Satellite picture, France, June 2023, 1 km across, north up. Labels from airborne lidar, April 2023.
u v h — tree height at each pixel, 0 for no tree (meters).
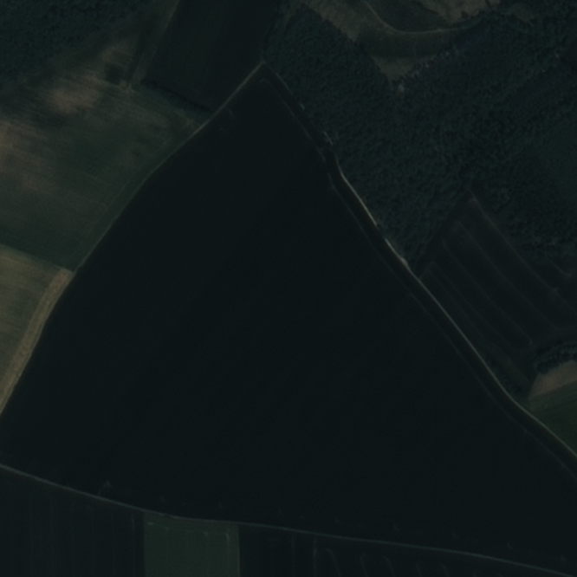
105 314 0
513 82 13
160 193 0
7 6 15
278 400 0
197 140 0
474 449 0
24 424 0
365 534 0
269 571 0
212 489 0
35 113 0
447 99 23
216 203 0
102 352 0
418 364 0
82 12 18
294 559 0
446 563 0
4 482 0
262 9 0
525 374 0
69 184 0
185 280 0
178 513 0
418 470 0
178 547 0
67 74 0
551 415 0
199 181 0
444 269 0
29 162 0
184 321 0
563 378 0
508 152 22
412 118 21
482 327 0
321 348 0
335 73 23
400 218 17
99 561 0
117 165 0
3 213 0
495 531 0
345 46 20
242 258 0
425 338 0
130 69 0
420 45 0
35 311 0
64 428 0
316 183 0
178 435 0
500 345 0
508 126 14
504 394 0
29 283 0
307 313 0
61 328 0
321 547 0
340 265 0
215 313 0
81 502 0
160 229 0
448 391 0
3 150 0
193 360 0
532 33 7
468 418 0
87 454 0
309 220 0
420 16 0
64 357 0
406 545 0
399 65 0
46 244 0
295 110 0
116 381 0
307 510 0
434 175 24
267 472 0
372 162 16
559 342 10
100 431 0
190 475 0
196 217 0
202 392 0
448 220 0
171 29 0
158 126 0
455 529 0
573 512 0
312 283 0
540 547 0
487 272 0
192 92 0
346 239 0
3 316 0
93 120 0
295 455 0
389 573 0
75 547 0
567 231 7
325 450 0
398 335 0
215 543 0
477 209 0
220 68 0
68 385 0
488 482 0
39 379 0
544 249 16
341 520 0
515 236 19
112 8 15
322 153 0
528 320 0
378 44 0
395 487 0
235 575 0
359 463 0
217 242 0
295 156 0
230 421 0
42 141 0
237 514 0
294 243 0
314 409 0
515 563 0
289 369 0
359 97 21
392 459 0
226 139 0
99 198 0
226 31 0
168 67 0
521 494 0
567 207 9
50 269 0
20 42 20
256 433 0
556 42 23
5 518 0
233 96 0
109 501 0
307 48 20
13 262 0
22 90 0
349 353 0
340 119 17
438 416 0
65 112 0
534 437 0
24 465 0
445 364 0
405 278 0
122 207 0
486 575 0
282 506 0
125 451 0
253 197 0
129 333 0
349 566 0
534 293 0
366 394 0
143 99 0
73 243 0
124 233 0
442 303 0
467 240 0
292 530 0
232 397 0
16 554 0
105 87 0
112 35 0
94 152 0
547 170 14
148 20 0
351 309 0
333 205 0
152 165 0
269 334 0
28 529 0
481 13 8
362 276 0
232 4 0
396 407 0
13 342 0
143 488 0
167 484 0
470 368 0
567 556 0
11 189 0
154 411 0
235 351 0
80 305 0
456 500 0
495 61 22
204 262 0
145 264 0
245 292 0
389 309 0
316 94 19
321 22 16
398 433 0
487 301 0
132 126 0
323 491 0
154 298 0
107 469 0
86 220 0
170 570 0
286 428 0
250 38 0
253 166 0
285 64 16
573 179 22
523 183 12
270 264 0
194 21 0
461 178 14
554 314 0
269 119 0
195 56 0
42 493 0
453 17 0
